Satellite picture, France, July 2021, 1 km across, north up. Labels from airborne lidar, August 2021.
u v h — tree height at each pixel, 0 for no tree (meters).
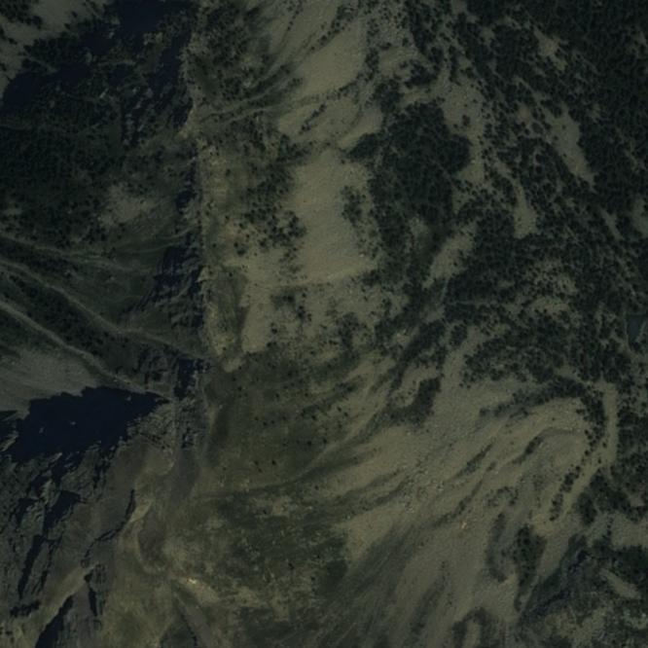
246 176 0
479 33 11
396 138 8
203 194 0
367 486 0
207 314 0
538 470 0
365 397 0
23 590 0
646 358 0
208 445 0
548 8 18
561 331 9
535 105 11
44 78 7
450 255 0
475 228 0
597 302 9
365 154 9
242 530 0
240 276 0
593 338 7
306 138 0
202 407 0
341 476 0
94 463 0
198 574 0
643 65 9
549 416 0
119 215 0
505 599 0
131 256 0
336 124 0
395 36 0
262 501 0
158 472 0
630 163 11
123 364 0
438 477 0
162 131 0
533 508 0
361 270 0
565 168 16
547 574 0
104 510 0
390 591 0
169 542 0
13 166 10
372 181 7
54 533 0
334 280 0
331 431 0
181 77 0
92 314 0
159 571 0
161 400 0
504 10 12
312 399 0
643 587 8
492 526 0
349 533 0
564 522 0
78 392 0
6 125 8
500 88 12
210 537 0
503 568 0
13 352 0
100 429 0
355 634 0
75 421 0
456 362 0
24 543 0
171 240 0
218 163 0
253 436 0
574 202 8
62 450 0
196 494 0
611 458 0
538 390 0
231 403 0
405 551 0
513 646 0
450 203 16
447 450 0
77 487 0
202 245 0
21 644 0
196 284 0
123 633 0
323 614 0
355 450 0
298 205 0
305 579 0
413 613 0
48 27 0
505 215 7
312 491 0
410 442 0
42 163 8
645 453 8
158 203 0
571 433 0
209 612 0
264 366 0
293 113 0
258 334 0
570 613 0
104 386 0
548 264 0
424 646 0
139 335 0
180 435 0
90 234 7
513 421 0
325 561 0
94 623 0
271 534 0
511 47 13
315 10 0
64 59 9
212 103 0
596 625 0
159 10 9
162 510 0
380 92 8
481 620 0
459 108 0
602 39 15
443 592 0
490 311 7
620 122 13
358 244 0
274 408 0
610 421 0
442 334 10
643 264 14
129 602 0
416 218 0
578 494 0
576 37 19
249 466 0
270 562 0
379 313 0
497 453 0
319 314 0
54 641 0
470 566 0
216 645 0
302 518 0
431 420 0
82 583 0
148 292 0
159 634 0
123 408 0
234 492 0
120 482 0
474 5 14
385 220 8
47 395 0
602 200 12
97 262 0
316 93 0
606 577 0
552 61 8
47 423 0
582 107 13
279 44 0
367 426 0
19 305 0
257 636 0
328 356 0
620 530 0
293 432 0
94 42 11
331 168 0
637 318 0
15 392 0
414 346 8
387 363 0
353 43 0
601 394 7
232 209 0
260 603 0
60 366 0
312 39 0
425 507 0
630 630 0
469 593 0
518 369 12
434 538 0
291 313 0
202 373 0
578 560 0
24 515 0
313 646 0
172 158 0
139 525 0
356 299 0
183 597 0
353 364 0
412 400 0
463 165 11
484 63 12
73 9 0
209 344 0
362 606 0
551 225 8
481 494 0
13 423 0
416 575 0
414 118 14
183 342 0
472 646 0
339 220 0
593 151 11
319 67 0
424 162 10
